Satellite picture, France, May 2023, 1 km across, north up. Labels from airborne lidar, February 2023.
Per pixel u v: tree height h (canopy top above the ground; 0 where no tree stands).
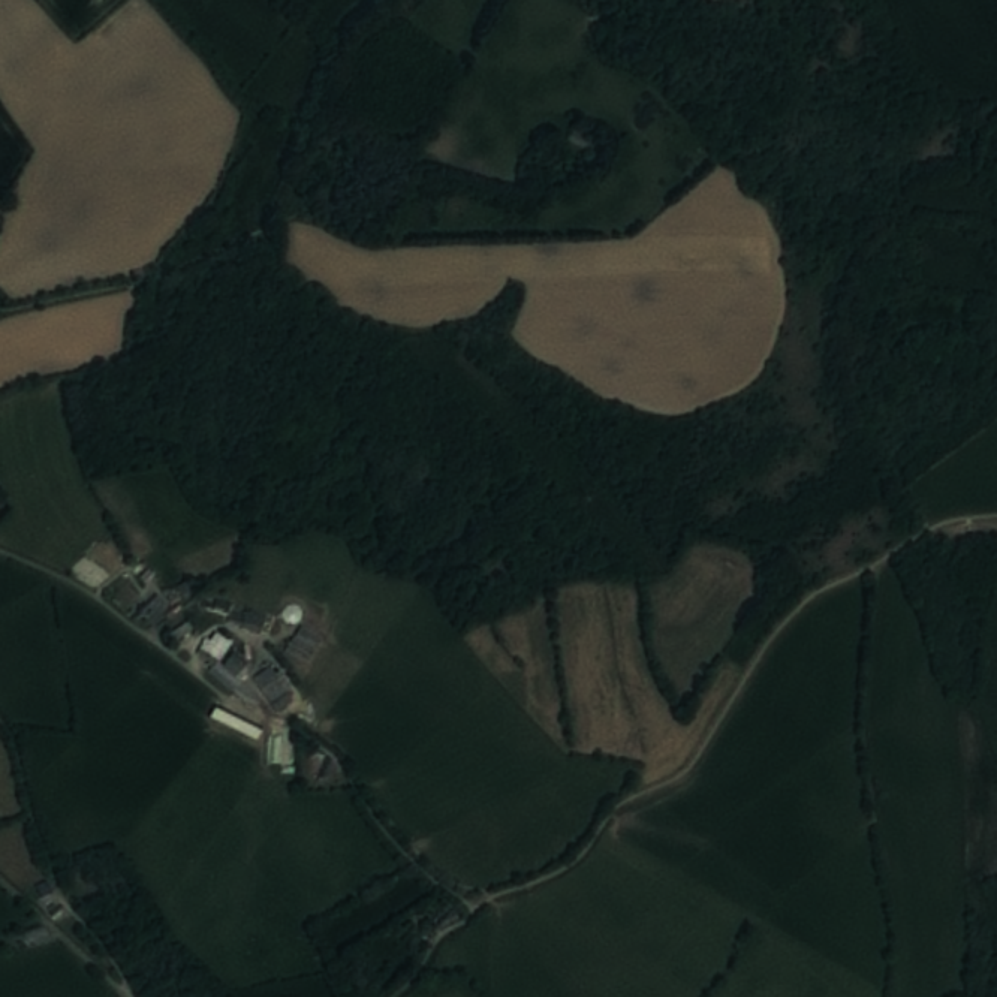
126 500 0
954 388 14
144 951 10
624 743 0
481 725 0
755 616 21
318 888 0
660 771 0
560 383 18
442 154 0
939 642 11
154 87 0
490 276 0
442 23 0
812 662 0
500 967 0
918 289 9
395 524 18
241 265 18
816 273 6
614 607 0
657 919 0
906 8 0
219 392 13
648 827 0
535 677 0
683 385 0
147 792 0
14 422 0
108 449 19
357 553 7
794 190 17
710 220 0
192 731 0
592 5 8
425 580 17
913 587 10
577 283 0
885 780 0
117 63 0
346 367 10
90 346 0
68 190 0
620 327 0
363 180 22
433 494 11
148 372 12
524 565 14
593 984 0
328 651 0
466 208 0
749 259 0
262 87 0
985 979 9
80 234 0
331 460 13
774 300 0
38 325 0
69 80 0
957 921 0
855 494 8
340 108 21
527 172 18
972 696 9
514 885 9
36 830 8
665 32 17
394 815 0
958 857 0
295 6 14
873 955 0
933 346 17
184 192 0
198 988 14
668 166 0
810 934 0
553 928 0
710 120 16
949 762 0
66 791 0
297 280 17
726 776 0
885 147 9
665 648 0
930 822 0
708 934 0
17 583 0
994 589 6
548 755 0
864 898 0
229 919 0
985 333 9
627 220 0
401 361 16
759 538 6
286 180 16
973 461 0
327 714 0
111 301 0
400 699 0
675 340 0
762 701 0
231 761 0
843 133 8
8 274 0
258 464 15
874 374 11
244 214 0
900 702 0
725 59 11
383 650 0
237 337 13
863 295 15
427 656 0
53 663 0
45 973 0
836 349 17
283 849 0
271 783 0
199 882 0
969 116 17
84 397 20
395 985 14
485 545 15
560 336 0
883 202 10
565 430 10
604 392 0
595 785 0
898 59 10
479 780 0
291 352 17
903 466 8
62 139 0
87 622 0
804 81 9
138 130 0
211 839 0
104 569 0
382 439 19
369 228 19
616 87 0
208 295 14
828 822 0
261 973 0
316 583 0
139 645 0
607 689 0
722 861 0
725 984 13
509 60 0
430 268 0
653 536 13
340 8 0
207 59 7
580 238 17
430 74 18
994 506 0
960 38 0
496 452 15
